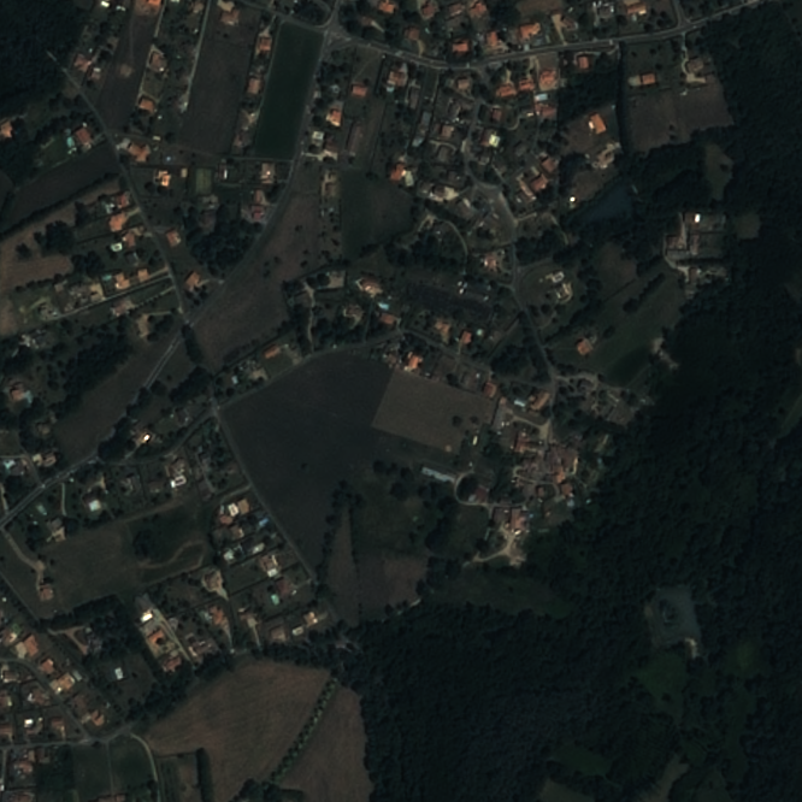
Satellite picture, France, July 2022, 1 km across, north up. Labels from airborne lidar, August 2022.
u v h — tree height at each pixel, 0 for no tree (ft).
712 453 77
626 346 0
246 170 0
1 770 22
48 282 24
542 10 0
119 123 0
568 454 0
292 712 0
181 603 18
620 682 44
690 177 64
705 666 75
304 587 0
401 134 18
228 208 26
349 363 0
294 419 0
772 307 51
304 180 0
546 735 61
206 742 0
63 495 0
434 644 56
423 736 45
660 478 63
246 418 0
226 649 42
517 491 33
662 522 74
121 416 0
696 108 0
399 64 20
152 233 0
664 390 20
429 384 0
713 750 21
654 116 0
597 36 39
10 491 58
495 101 23
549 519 0
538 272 0
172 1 0
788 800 55
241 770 0
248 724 0
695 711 19
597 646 68
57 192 0
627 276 0
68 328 49
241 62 0
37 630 25
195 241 32
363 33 47
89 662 48
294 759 23
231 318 0
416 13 34
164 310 0
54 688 0
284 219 0
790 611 49
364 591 0
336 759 0
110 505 0
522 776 77
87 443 0
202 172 0
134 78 0
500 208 0
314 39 0
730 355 30
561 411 30
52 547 0
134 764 0
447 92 26
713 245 0
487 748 75
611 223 36
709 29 25
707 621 55
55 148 0
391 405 0
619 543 38
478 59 23
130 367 0
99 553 0
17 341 19
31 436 73
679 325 22
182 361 0
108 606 43
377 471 48
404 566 0
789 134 57
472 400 0
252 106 42
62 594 0
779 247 66
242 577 0
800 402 0
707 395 22
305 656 37
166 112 0
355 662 57
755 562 73
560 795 0
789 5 32
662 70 43
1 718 19
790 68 25
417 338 59
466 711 35
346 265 45
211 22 0
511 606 0
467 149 0
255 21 0
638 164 40
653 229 52
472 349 48
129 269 0
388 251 44
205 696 0
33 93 61
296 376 0
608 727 81
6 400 59
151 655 49
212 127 0
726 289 59
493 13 43
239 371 42
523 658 41
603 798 76
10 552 0
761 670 0
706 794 0
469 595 0
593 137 0
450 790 52
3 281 0
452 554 0
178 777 0
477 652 44
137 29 0
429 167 28
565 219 51
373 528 0
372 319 31
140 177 0
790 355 36
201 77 0
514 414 0
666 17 46
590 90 54
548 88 0
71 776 18
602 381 37
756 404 30
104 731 0
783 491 82
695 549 47
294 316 25
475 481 26
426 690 75
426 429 0
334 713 0
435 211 52
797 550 65
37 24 80
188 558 0
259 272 0
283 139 0
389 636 32
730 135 62
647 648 26
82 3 0
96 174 0
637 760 27
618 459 49
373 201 0
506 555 0
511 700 76
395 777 65
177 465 0
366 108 17
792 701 22
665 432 62
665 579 62
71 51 39
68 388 39
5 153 66
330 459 0
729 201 45
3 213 22
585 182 0
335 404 0
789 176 70
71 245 57
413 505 0
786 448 72
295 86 0
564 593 54
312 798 0
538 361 54
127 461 0
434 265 60
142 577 0
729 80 41
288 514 0
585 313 38
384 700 66
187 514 0
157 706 63
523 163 23
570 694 78
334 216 20
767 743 67
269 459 0
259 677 0
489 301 0
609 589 56
